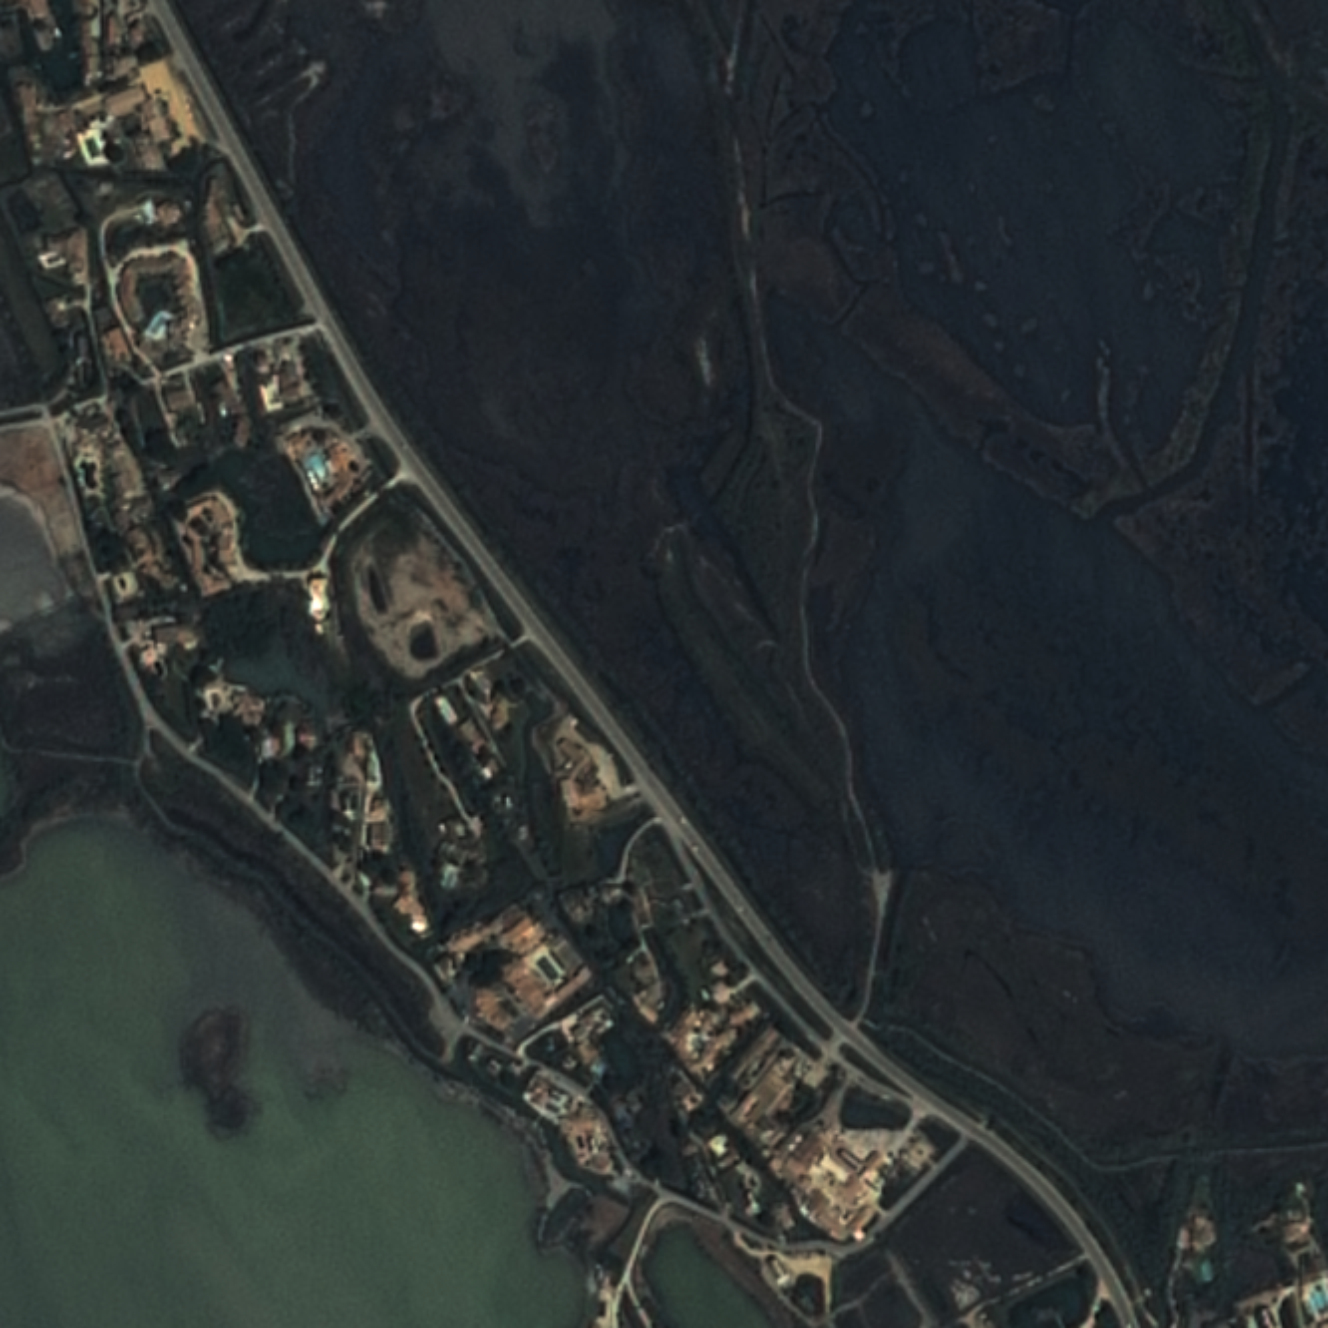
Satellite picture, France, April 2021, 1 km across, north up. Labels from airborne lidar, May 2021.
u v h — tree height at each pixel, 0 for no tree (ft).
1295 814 0
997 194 0
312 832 35
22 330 0
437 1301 0
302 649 20
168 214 0
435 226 0
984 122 0
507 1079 25
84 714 0
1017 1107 25
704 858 0
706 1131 30
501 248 0
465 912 24
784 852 0
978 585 0
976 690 0
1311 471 0
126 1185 0
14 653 0
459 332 0
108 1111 0
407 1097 0
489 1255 0
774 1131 0
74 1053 0
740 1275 0
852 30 0
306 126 0
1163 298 0
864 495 0
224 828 0
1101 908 0
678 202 0
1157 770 0
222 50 0
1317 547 0
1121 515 0
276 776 27
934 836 0
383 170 0
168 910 0
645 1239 0
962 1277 0
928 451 0
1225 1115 0
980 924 0
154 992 0
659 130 0
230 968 0
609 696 0
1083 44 0
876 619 0
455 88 0
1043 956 0
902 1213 0
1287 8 0
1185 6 0
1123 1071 0
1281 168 0
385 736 20
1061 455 0
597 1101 24
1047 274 0
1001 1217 0
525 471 0
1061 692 0
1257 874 0
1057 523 0
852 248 0
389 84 0
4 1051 0
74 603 0
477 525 0
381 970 0
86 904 0
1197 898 0
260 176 0
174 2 0
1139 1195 0
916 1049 23
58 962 0
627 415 0
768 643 0
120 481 0
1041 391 0
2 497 0
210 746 21
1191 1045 0
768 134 0
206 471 27
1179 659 0
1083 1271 21
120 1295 0
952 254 0
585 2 0
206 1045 0
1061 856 0
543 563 0
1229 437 0
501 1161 0
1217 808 0
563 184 0
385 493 18
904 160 0
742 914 0
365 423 0
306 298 0
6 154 0
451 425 0
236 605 22
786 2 0
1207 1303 24
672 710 0
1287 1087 0
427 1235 0
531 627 0
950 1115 0
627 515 0
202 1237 0
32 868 0
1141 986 0
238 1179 0
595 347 0
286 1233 0
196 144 24
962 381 0
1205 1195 0
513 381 0
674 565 0
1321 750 0
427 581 0
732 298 0
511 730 34
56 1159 0
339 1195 0
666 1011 18
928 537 0
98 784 0
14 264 0
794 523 0
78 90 18
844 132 0
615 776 0
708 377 0
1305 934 0
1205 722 0
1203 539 0
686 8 0
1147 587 0
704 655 0
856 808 0
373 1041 0
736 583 0
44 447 0
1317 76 0
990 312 0
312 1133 0
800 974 0
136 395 27
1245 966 0
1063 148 0
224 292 0
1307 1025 0
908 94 0
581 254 0
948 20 0
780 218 0
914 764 0
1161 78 0
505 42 0
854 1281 0
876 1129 0
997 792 0
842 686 0
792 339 0
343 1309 0
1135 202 0
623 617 0
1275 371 0
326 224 0
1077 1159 25
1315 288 0
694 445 0
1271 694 0
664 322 0
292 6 0
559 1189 0
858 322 0
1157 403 0
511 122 0
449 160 0
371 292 0
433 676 21
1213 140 0
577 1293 0
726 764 0
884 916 0
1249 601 0
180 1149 0
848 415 0
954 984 0
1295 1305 0
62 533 0
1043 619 0
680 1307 0
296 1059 0
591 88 0
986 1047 0
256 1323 0
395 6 0
